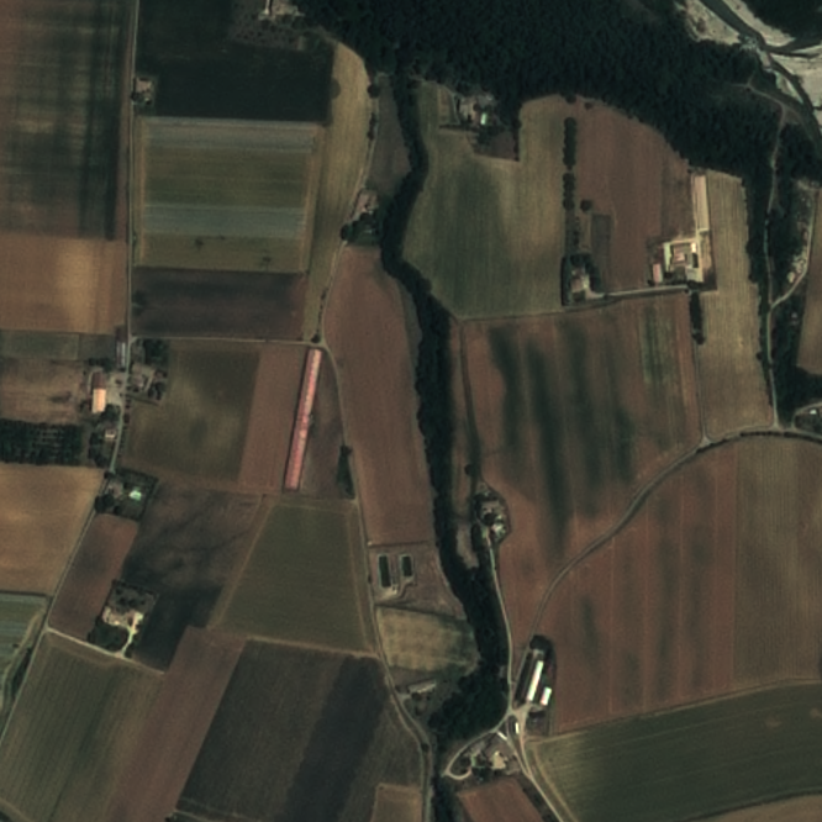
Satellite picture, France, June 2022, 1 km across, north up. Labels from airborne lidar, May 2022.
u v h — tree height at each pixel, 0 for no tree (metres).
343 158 0
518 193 0
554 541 0
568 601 0
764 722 0
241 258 0
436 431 16
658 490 0
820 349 0
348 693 0
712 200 0
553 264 0
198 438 0
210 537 0
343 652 0
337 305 0
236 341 0
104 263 0
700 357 0
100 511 10
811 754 0
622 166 0
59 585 0
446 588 0
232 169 0
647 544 0
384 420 0
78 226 0
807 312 0
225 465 0
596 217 0
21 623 0
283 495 0
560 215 0
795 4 7
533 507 0
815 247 0
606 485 0
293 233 0
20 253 0
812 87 0
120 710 0
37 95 0
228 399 0
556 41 6
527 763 0
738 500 0
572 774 0
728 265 0
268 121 0
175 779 0
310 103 0
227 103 0
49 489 0
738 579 0
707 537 0
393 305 0
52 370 0
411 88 15
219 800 0
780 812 0
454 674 0
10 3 0
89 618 0
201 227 0
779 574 0
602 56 17
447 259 0
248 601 0
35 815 0
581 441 0
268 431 0
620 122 0
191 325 0
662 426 0
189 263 0
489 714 12
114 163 0
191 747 0
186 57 0
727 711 0
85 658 0
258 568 0
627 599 0
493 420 0
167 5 0
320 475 0
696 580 0
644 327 0
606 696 0
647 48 18
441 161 0
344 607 0
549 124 0
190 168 0
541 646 6
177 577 0
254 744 0
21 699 0
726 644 0
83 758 0
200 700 0
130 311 0
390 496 0
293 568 0
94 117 0
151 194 0
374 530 0
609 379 0
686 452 0
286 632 0
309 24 9
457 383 0
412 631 0
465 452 0
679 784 0
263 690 0
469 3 23
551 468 0
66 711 0
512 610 0
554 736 0
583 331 0
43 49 0
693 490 0
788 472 0
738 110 12
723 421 0
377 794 0
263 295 0
